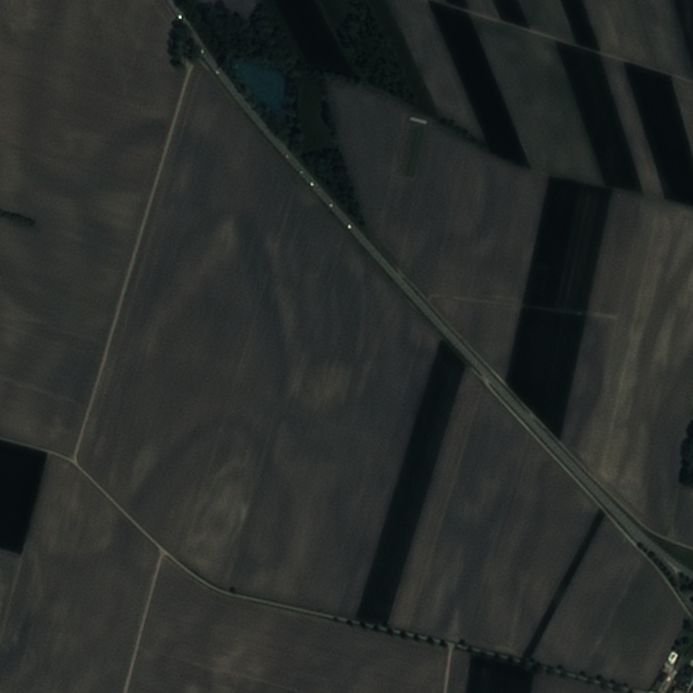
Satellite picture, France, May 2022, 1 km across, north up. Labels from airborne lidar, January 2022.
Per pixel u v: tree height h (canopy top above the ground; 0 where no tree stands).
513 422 0
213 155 0
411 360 0
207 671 0
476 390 0
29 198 0
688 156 0
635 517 0
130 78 0
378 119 0
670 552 0
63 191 0
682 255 0
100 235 0
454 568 0
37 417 0
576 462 0
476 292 0
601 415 0
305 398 0
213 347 0
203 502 0
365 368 0
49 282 0
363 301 0
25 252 0
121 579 0
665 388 0
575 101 0
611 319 0
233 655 0
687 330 0
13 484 0
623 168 0
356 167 0
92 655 0
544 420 0
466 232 0
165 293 0
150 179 0
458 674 0
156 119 0
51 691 0
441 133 0
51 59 0
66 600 0
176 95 0
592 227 0
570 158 0
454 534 0
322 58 0
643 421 0
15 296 0
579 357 0
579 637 0
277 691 0
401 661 0
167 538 0
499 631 0
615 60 0
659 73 0
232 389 0
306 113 0
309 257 0
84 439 0
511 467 0
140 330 0
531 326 0
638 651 0
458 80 0
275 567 0
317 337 0
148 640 0
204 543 0
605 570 0
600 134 0
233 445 0
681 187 0
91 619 0
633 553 0
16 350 0
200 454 0
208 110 0
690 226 0
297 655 0
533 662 6
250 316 0
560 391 0
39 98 0
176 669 0
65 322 0
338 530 0
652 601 0
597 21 0
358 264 0
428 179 0
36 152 0
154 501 0
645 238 0
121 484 0
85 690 0
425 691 0
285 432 0
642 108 0
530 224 0
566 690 0
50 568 0
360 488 0
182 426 0
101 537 0
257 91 0
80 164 0
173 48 21
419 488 0
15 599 0
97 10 0
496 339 0
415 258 0
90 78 0
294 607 0
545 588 0
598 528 0
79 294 0
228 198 0
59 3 0
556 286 0
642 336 0
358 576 0
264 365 0
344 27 0
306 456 0
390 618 0
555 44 0
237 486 0
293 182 0
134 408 0
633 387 0
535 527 0
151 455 0
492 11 0
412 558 0
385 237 0
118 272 0
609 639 0
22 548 0
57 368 0
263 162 0
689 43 0
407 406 0
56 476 0
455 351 0
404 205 0
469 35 0
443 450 0
